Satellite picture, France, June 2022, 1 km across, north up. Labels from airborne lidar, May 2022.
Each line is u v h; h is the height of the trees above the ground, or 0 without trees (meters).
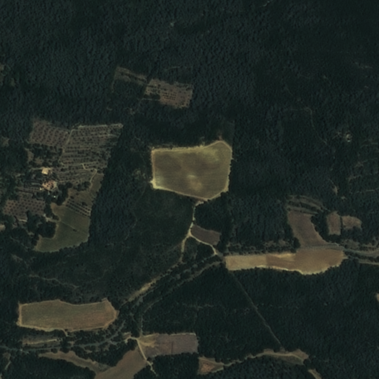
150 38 18
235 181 10
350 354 16
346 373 13
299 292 12
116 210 13
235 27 16
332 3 9
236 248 9
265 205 17
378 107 9
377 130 14
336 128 9
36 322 0
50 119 14
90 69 19
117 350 7
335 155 6
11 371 10
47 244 0
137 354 0
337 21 6
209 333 7
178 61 17
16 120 16
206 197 0
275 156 15
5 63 11
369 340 9
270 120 16
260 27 6
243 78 17
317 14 8
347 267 18
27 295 11
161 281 11
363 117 16
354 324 17
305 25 9
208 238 0
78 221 0
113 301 9
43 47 19
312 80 8
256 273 18
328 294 21
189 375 10
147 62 20
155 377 9
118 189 12
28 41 18
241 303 10
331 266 0
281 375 12
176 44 16
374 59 7
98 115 8
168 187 0
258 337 9
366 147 7
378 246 6
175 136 10
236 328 7
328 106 7
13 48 20
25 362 8
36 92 12
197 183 0
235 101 11
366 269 9
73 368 7
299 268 0
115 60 22
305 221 0
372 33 8
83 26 11
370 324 17
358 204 17
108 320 0
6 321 7
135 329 11
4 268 16
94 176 0
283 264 0
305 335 18
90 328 0
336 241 12
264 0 7
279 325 9
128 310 12
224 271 15
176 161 0
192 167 0
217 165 0
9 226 11
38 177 9
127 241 8
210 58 16
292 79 7
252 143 13
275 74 7
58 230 0
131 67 17
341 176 14
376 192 8
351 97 10
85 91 16
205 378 10
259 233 18
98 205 14
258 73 6
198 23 13
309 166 7
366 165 15
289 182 18
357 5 10
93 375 10
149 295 11
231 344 11
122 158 8
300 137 7
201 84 17
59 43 15
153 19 16
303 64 5
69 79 17
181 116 14
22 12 18
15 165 13
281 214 17
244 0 8
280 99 7
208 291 10
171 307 9
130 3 16
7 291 10
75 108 16
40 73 16
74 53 14
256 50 17
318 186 13
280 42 8
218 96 19
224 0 19
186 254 7
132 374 0
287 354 0
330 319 9
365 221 10
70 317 0
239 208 10
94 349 8
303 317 8
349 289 17
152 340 0
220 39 19
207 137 8
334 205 15
